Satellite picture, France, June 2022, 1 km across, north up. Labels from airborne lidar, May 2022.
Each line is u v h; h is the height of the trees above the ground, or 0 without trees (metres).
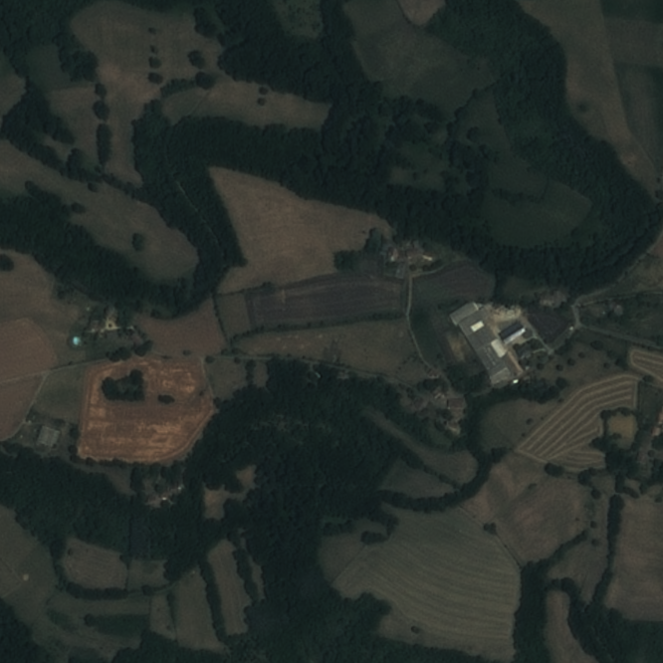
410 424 6
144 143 12
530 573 14
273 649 15
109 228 0
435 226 9
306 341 0
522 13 12
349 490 25
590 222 0
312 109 0
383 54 0
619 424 0
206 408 0
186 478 16
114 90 0
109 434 0
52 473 15
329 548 0
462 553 0
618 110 0
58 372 0
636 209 18
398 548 0
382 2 0
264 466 28
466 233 28
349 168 17
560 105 20
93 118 0
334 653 8
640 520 0
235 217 0
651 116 0
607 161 17
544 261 19
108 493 18
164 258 0
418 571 0
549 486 0
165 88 8
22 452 15
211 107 0
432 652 10
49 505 13
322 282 0
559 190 0
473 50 7
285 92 19
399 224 15
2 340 0
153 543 12
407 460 20
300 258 0
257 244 0
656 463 11
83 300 0
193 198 11
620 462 13
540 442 0
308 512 21
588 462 0
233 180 0
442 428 13
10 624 12
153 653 16
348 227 0
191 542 16
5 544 0
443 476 10
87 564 0
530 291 0
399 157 9
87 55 14
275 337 0
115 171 0
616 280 16
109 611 0
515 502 0
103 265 11
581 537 8
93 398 0
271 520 24
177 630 0
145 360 0
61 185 0
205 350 0
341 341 0
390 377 0
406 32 0
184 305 8
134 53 0
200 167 13
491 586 0
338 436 7
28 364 0
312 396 18
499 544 0
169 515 7
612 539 16
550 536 0
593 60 0
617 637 8
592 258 6
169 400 10
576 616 10
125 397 10
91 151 0
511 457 0
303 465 20
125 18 0
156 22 0
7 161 0
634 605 0
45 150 21
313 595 17
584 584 0
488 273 13
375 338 0
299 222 0
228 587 0
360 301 0
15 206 7
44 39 6
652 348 11
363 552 0
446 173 8
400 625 0
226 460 12
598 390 0
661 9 0
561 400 6
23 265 0
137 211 0
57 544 18
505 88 10
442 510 16
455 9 12
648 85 0
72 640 0
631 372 0
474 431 13
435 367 7
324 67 21
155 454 0
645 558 0
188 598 0
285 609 19
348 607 13
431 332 0
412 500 11
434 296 0
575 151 20
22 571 0
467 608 0
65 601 0
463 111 17
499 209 0
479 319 0
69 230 9
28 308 0
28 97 17
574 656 0
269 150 9
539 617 15
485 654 0
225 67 17
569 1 0
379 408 11
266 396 16
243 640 14
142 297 9
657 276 0
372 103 10
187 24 0
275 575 16
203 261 13
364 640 15
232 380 0
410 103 16
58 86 0
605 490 0
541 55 11
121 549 8
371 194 27
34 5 8
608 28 0
